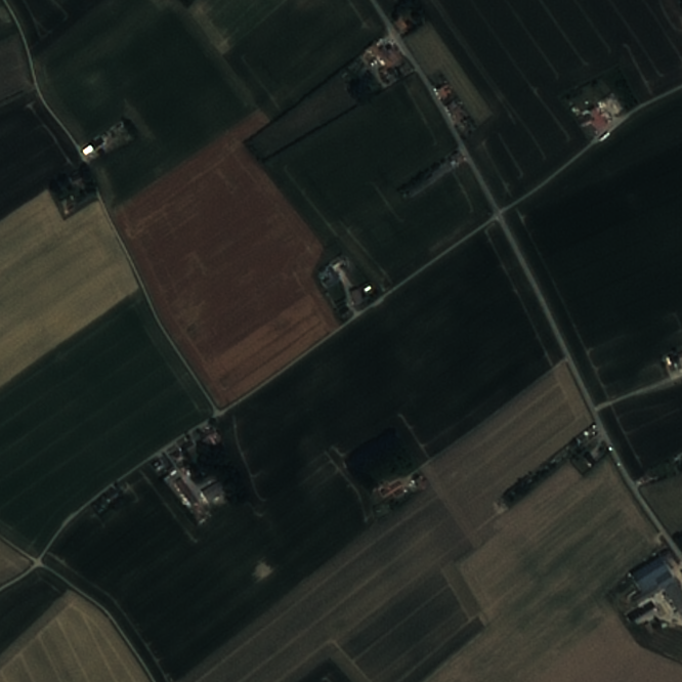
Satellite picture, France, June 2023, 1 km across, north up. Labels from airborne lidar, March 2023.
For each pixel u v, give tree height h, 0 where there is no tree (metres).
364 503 0
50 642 0
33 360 0
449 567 0
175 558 0
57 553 0
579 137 0
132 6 0
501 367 0
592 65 0
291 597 0
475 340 0
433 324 0
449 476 0
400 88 0
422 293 0
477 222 0
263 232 0
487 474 0
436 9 0
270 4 0
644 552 0
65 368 0
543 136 0
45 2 0
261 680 0
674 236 0
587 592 0
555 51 0
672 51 0
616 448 0
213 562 0
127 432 0
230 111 0
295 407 0
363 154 0
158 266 0
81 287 0
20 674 0
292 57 0
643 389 0
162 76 0
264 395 0
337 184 0
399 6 8
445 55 0
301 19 0
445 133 0
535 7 0
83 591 0
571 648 0
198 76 0
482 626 0
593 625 0
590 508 0
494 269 0
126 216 0
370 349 0
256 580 0
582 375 0
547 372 0
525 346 0
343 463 0
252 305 0
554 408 0
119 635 0
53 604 0
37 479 0
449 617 0
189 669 0
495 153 0
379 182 0
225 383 0
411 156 0
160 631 0
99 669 0
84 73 0
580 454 9
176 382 0
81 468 0
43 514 0
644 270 0
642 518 0
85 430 0
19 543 0
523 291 0
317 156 0
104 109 0
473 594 0
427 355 0
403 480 0
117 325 0
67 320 0
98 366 0
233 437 0
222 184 0
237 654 0
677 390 0
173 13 0
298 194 0
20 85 0
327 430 0
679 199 0
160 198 0
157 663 0
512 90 0
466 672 0
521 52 0
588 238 0
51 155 0
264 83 0
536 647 0
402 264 0
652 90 0
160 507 0
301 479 0
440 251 0
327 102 0
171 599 0
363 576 0
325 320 0
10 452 0
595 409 0
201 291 0
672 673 0
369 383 0
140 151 0
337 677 0
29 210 0
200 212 0
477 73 0
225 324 0
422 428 0
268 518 0
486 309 0
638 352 0
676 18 0
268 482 0
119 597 0
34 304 0
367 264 0
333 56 0
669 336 0
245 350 0
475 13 0
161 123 0
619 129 0
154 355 0
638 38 0
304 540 0
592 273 0
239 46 0
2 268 0
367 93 23
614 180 0
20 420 0
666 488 0
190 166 0
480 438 0
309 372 0
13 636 0
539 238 0
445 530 0
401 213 0
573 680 0
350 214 0
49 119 0
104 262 0
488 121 0
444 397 0
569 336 0
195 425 0
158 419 0
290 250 0
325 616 0
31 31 0
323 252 0
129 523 0
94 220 0
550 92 0
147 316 0
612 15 0
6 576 0
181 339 0
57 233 0
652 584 0
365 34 0
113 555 0
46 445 0
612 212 0
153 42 0
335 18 0
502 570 0
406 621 0
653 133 0
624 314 0
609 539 0
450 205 0
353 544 0
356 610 0
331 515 0
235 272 0
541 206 0
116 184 0
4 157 0
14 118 0
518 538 0
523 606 0
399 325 0
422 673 0
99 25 0
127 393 0
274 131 0
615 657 0
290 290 0
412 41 0
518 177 0
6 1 0
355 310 0
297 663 0
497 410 0
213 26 0
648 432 0
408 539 0
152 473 0
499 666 0
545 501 0
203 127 0
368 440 0
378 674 0
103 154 7
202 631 0
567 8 0
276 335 0
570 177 0
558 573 0
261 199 0
